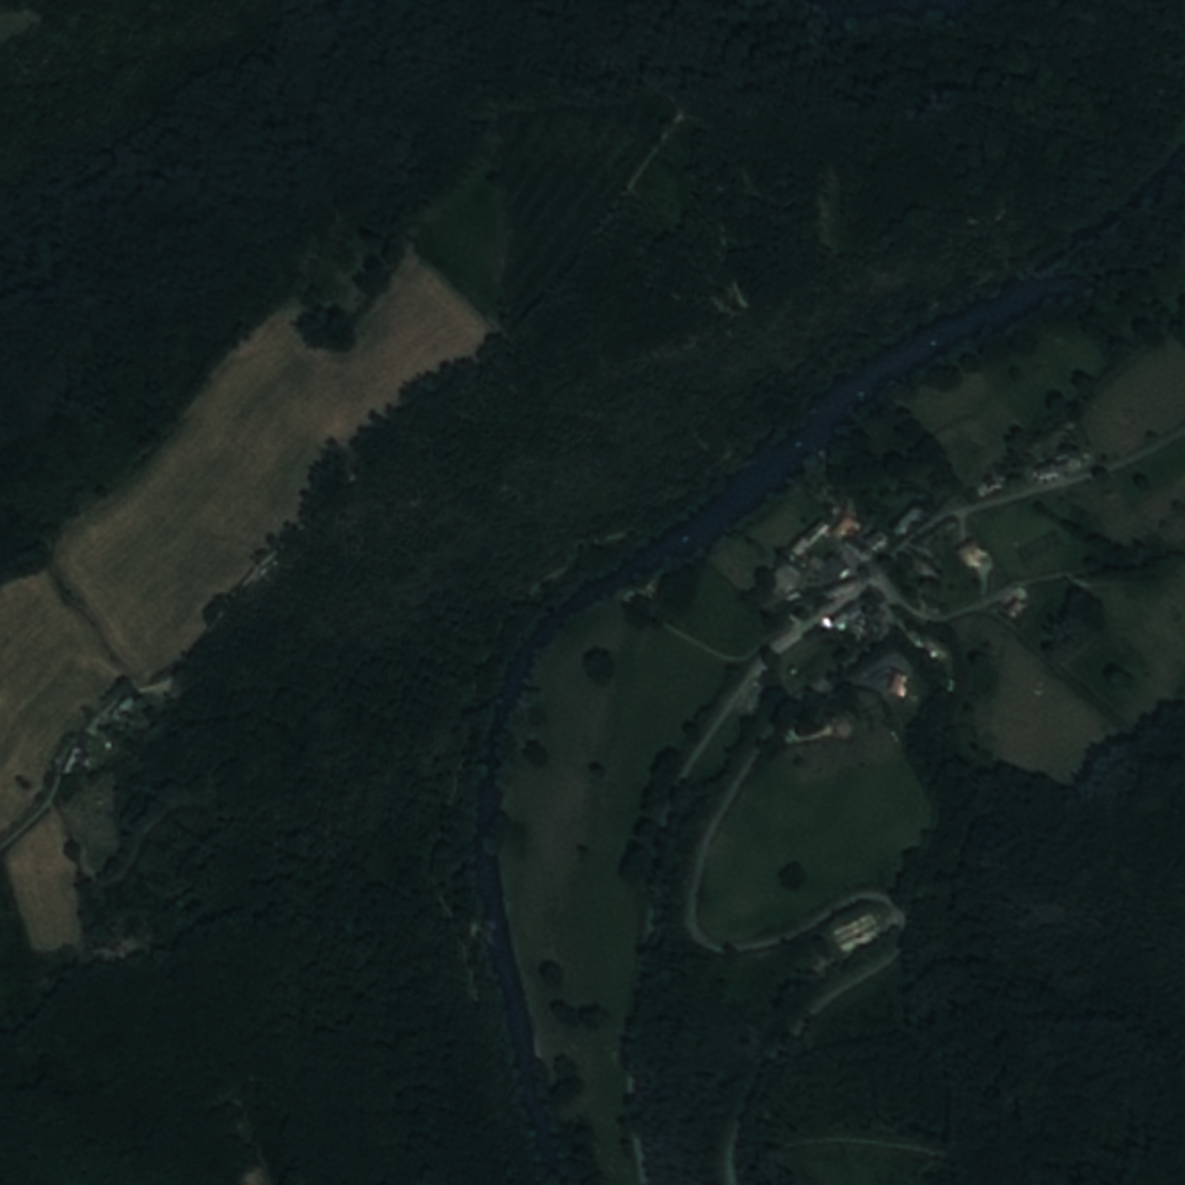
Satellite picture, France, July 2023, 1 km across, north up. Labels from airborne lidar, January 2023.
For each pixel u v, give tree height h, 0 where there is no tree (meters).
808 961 0
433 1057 20
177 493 0
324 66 21
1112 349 19
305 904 6
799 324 7
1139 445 0
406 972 20
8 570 22
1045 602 0
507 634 16
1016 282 0
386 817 13
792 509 0
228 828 23
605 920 0
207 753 17
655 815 18
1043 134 17
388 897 30
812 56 22
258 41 15
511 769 18
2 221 27
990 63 19
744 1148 7
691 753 0
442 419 18
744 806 0
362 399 0
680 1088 9
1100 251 15
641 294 9
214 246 16
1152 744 21
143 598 0
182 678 18
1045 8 21
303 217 11
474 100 20
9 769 0
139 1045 17
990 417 0
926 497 18
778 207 17
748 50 36
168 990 20
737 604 0
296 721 26
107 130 16
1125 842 13
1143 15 7
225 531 0
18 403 24
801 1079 6
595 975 0
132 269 18
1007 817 21
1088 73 19
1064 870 19
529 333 13
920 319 23
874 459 17
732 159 17
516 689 0
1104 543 13
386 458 13
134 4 16
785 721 15
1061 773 0
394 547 13
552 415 14
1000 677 0
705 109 21
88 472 9
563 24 29
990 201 13
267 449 0
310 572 11
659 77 34
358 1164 25
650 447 7
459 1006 23
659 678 0
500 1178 11
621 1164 0
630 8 17
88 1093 11
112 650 0
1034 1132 27
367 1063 25
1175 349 0
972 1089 27
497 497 18
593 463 10
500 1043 24
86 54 16
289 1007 25
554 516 11
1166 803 22
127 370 20
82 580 0
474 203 0
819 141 21
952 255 16
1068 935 16
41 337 26
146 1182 17
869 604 11
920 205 6
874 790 0
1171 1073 22
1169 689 0
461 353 0
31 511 11
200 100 27
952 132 21
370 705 22
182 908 22
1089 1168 9
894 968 0
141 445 7
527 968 0
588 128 0
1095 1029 24
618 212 9
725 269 20
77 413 15
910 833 0
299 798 21
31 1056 17
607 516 9
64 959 8
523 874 0
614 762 0
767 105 26
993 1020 24
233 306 12
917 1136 19
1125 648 0
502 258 0
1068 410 20
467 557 7
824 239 18
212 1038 20
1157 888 14
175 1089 17
